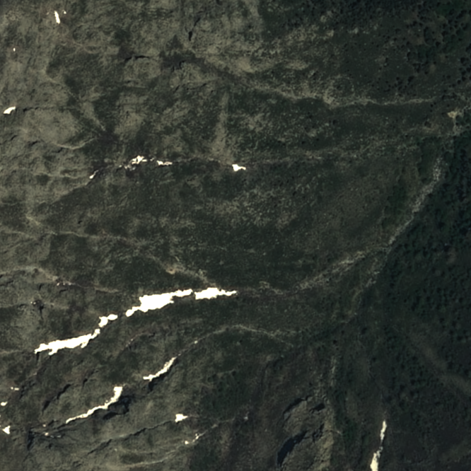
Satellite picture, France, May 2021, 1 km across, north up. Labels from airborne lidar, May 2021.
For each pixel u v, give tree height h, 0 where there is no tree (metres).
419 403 9
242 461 0
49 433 0
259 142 0
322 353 11
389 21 0
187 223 0
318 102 0
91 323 0
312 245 0
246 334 0
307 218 0
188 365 0
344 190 0
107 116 0
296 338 0
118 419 0
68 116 0
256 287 0
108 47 0
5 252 0
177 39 8
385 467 8
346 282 0
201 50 0
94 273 0
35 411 0
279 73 0
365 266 0
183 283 0
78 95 0
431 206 9
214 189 0
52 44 0
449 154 12
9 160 0
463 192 12
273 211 0
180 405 0
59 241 0
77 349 0
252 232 0
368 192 0
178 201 0
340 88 14
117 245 0
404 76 0
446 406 6
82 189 0
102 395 0
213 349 0
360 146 0
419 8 11
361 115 0
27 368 0
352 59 0
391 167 0
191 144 0
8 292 0
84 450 0
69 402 0
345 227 0
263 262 0
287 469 0
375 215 0
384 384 0
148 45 0
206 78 0
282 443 0
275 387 12
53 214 0
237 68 0
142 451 0
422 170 16
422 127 0
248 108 0
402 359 11
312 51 0
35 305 0
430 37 18
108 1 0
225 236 0
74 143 0
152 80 0
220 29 0
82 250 0
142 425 0
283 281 0
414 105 0
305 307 0
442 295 11
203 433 10
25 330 0
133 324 0
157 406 0
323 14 13
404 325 0
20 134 0
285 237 0
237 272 0
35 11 0
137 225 0
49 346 0
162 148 0
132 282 0
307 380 0
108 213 0
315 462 0
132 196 0
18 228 0
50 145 0
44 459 0
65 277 0
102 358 0
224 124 0
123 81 0
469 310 7
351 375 8
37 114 0
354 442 6
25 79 0
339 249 0
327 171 0
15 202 0
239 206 0
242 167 0
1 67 0
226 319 0
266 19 0
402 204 13
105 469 0
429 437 8
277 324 0
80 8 0
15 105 0
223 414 11
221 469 11
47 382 0
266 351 0
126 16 0
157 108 0
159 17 0
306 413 0
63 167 0
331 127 0
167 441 0
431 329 0
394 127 7
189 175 0
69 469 0
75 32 0
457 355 8
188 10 0
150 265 0
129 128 0
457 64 0
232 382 13
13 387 0
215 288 0
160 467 0
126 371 0
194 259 0
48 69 0
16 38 0
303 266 0
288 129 0
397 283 9
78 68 0
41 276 0
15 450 0
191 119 0
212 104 0
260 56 0
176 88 0
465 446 0
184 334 0
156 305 0
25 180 0
